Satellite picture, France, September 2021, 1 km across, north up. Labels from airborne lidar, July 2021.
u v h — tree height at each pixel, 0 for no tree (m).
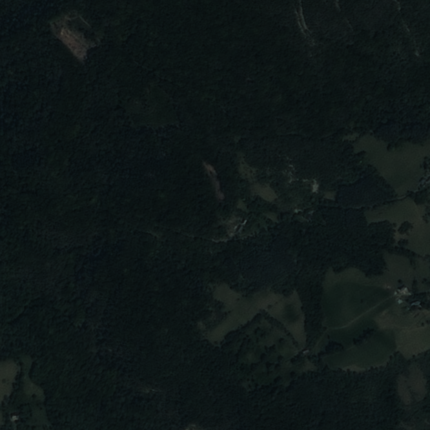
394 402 14
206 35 21
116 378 23
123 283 19
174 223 15
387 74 12
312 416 14
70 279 23
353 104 18
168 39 21
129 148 22
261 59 24
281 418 24
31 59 18
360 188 19
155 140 25
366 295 0
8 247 14
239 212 11
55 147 26
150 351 18
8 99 29
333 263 14
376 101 13
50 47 22
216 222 10
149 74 18
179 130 20
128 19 26
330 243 19
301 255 13
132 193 18
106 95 22
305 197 7
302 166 10
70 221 20
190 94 14
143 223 14
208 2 23
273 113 21
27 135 20
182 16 24
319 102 18
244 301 0
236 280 12
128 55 16
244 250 6
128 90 25
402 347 0
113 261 20
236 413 7
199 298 18
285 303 0
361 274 0
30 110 23
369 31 16
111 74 25
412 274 0
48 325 25
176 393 15
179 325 16
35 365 12
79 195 22
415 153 0
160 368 19
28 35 21
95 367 19
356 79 16
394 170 0
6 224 31
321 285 13
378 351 0
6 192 27
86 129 23
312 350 12
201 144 18
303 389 17
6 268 16
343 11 14
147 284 16
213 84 17
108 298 7
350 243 17
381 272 12
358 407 15
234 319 0
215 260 14
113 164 23
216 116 15
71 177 23
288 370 0
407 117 15
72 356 25
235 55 18
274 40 18
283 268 14
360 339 8
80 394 16
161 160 17
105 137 20
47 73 24
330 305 0
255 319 12
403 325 0
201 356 18
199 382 19
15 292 25
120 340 15
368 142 0
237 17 23
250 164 8
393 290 0
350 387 17
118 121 22
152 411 19
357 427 21
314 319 13
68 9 16
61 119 26
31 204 26
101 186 12
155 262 12
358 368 0
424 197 14
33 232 33
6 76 29
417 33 10
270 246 10
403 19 8
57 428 19
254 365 12
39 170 17
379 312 0
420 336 0
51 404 19
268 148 8
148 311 17
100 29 20
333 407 18
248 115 21
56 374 22
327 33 15
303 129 16
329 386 22
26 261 11
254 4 14
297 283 14
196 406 15
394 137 23
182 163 12
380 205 17
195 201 12
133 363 19
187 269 18
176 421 18
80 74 18
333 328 0
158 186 17
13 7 24
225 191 15
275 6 12
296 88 21
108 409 18
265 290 8
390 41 10
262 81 25
